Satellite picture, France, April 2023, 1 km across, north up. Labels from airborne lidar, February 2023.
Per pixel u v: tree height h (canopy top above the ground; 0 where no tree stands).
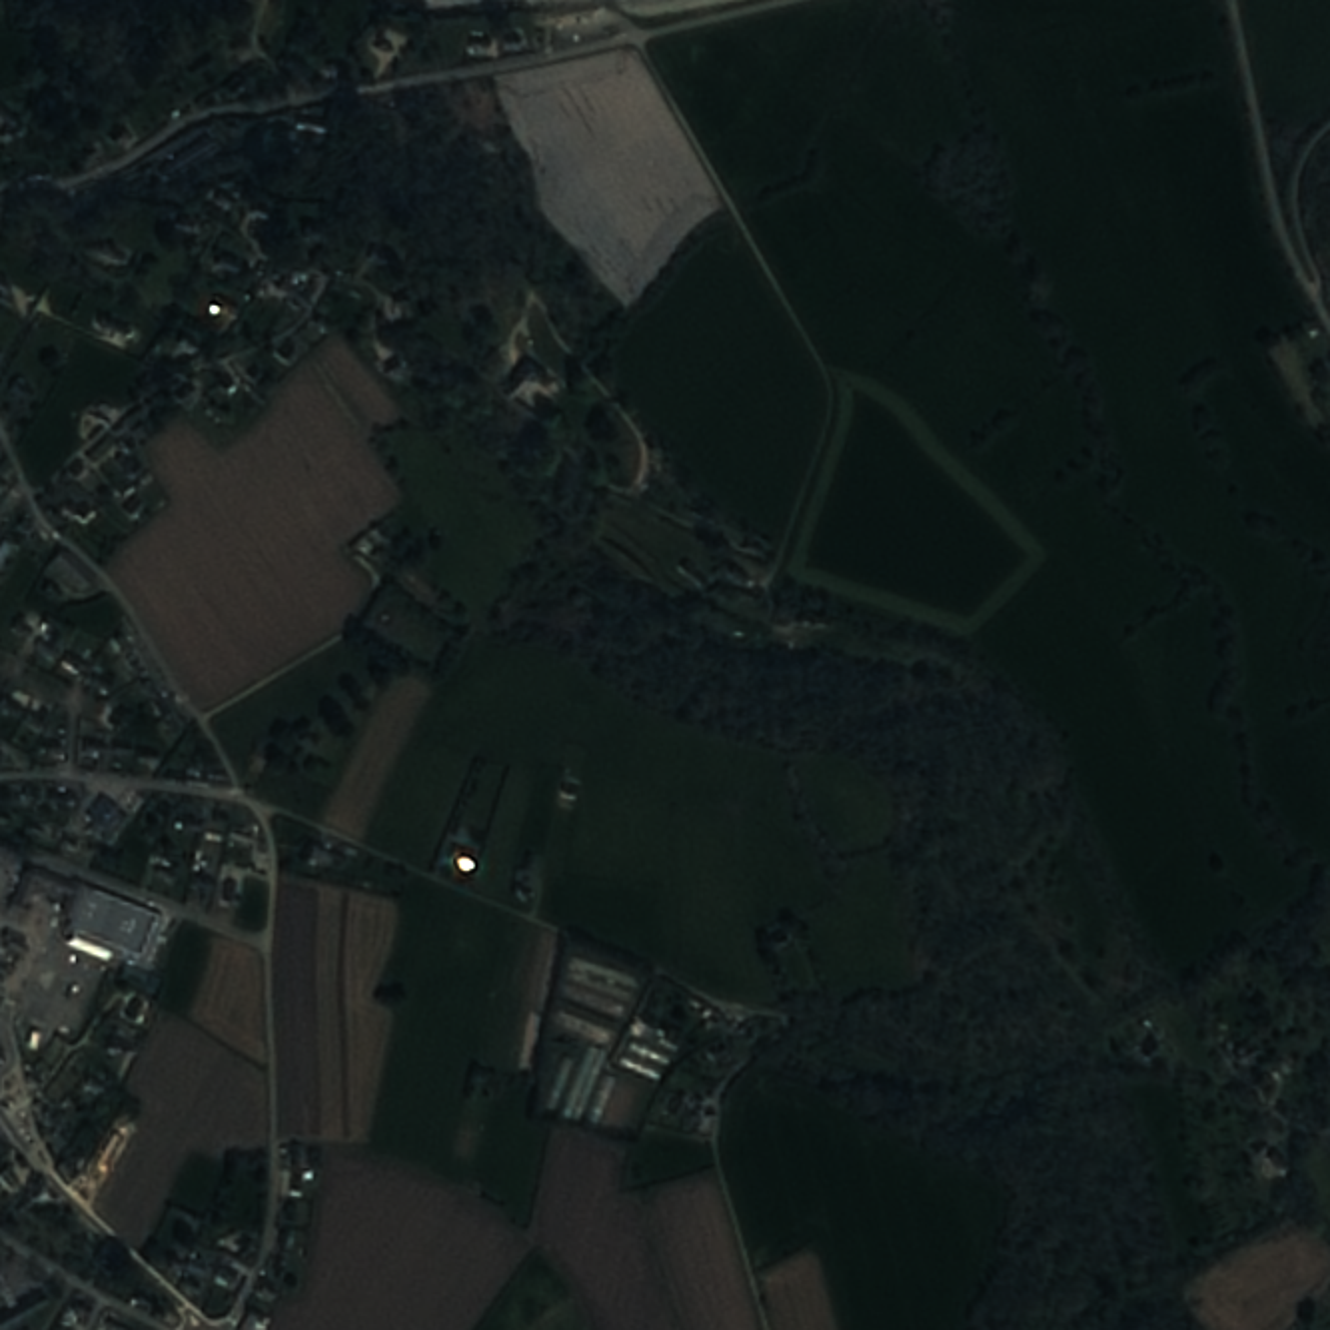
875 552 0
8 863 0
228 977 0
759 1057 13
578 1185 0
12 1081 0
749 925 0
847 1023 16
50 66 14
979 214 8
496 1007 0
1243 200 0
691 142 0
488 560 0
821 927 0
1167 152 0
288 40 6
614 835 0
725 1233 0
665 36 0
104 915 0
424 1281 0
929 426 0
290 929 0
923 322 0
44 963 0
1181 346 0
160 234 14
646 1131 0
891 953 0
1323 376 9
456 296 18
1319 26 0
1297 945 17
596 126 0
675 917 0
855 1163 0
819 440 0
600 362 13
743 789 0
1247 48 0
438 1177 0
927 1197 0
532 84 0
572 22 0
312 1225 0
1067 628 0
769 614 12
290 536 0
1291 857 6
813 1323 0
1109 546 0
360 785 0
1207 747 0
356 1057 0
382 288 0
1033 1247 12
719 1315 0
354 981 0
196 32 11
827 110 0
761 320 0
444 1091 0
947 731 15
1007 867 17
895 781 6
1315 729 0
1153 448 0
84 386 0
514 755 0
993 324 0
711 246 0
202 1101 0
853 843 0
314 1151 6
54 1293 13
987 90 0
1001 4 0
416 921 0
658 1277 0
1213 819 0
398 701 0
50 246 15
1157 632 0
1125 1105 17
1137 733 0
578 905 0
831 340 0
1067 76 0
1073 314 0
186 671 0
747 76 0
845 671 10
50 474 0
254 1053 0
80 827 0
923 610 0
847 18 0
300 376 0
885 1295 0
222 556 0
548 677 0
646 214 0
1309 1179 12
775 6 0
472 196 13
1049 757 16
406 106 16
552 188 0
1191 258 0
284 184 9
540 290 17
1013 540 0
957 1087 6
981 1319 11
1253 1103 13
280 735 11
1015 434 0
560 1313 0
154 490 0
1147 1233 24
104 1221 0
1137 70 0
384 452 7
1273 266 0
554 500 24
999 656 0
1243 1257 0
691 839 0
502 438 20
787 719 9
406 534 7
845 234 0
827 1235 0
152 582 0
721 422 0
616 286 0
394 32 0
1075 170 0
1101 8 0
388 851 0
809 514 0
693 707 12
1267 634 0
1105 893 13
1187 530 0
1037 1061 21
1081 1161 22
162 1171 0
